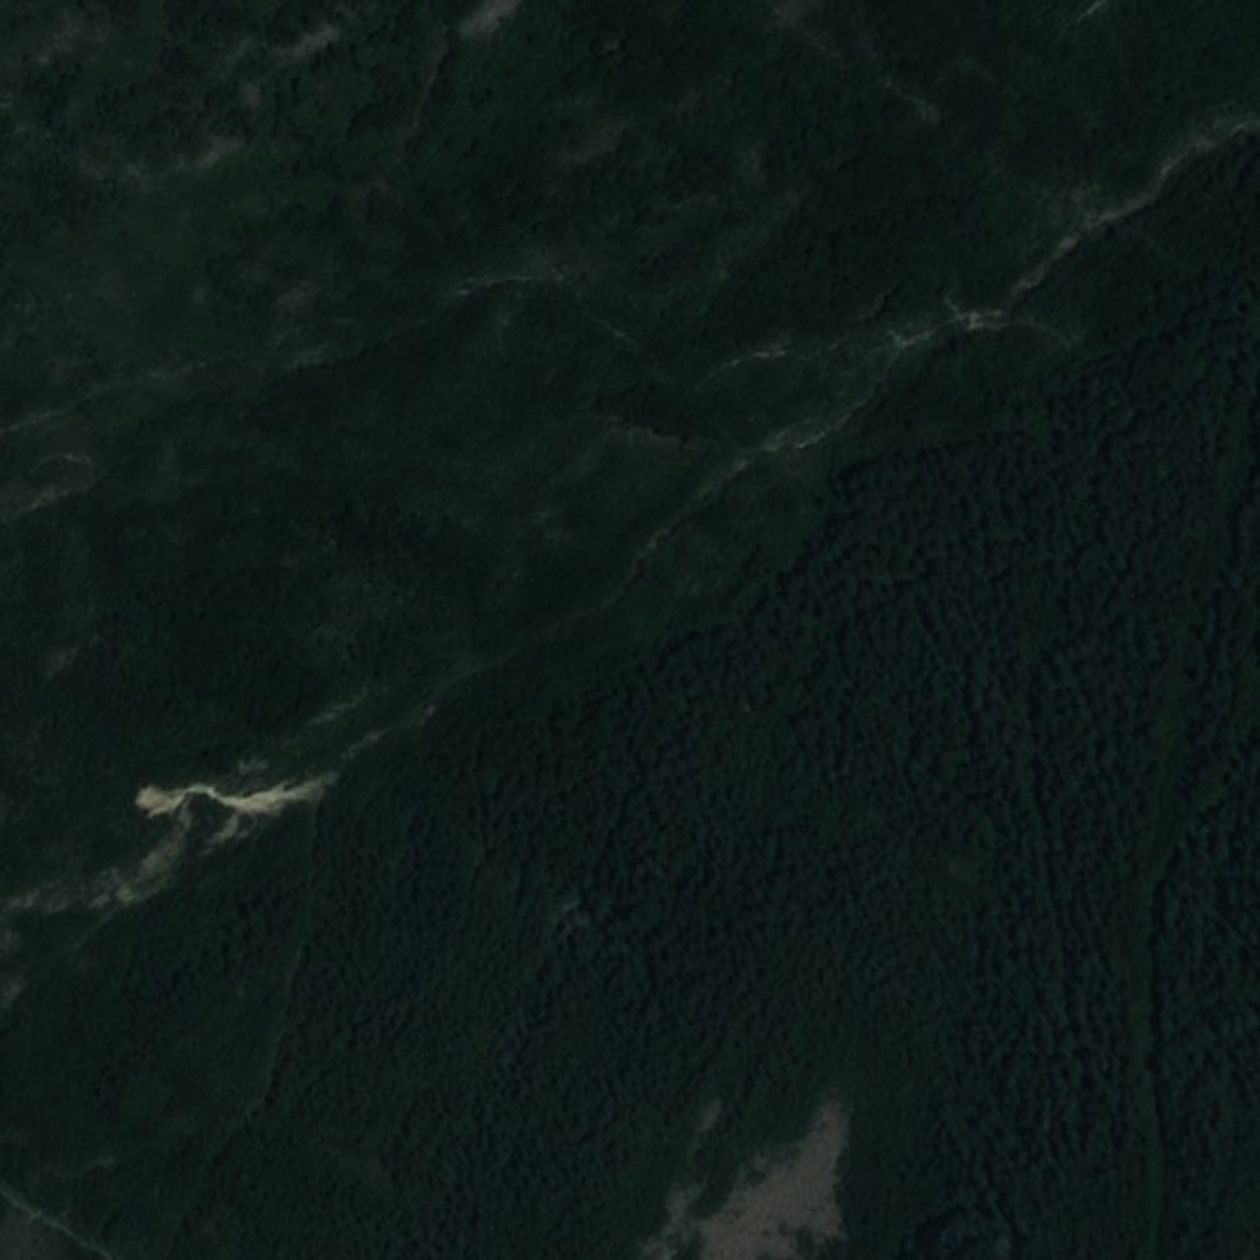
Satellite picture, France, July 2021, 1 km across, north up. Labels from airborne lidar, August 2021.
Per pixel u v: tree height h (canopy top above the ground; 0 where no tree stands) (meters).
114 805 6
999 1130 10
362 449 5
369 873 10
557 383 6
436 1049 13
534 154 13
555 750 19
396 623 9
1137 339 11
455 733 9
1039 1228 8
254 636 14
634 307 12
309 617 12
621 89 16
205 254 0
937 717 27
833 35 8
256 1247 11
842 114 18
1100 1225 7
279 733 15
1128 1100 15
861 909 28
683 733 8
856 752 18
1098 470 25
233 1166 9
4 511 0
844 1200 9
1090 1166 8
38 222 6
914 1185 6
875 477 18
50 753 6
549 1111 8
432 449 6
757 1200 0
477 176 9
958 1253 10
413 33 12
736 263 12
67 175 10
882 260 26
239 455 6
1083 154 11
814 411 9
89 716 9
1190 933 17
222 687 17
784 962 15
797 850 24
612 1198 7
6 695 8
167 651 18
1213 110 21
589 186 14
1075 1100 21
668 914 27
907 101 8
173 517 6
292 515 9
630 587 6
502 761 19
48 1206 5
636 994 21
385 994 10
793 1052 19
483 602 16
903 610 32
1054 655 10
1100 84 14
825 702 22
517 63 7
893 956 17
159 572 6
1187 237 10
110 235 0
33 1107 8
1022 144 10
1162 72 26
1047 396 7
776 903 26
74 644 7
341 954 8
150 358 0
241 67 11
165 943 10
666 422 26
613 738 18
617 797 23
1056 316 7
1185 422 24
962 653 13
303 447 6
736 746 16
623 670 6
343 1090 7
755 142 9
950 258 24
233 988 8
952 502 17
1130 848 21
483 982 9
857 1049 6
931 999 17
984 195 13
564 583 6
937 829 21
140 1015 10
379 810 9
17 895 6
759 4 9
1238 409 13
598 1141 17
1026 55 9
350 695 8
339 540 15
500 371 5
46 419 0
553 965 14
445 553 19
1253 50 23
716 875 19
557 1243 7
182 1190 9
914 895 22
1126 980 8
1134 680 24
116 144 0
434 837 8
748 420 11
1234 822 15
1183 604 25
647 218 19
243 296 8
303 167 16
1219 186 20
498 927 10
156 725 15
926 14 15
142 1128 6
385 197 9
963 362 9
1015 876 26
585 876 14
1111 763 34
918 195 22
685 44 21
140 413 0
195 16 13
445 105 16
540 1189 7
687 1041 16
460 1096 10
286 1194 5
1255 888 12
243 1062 6
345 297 6
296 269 9
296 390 7
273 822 6
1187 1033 12
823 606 27
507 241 10
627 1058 8
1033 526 24
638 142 11
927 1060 14
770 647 29
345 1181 12
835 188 30
